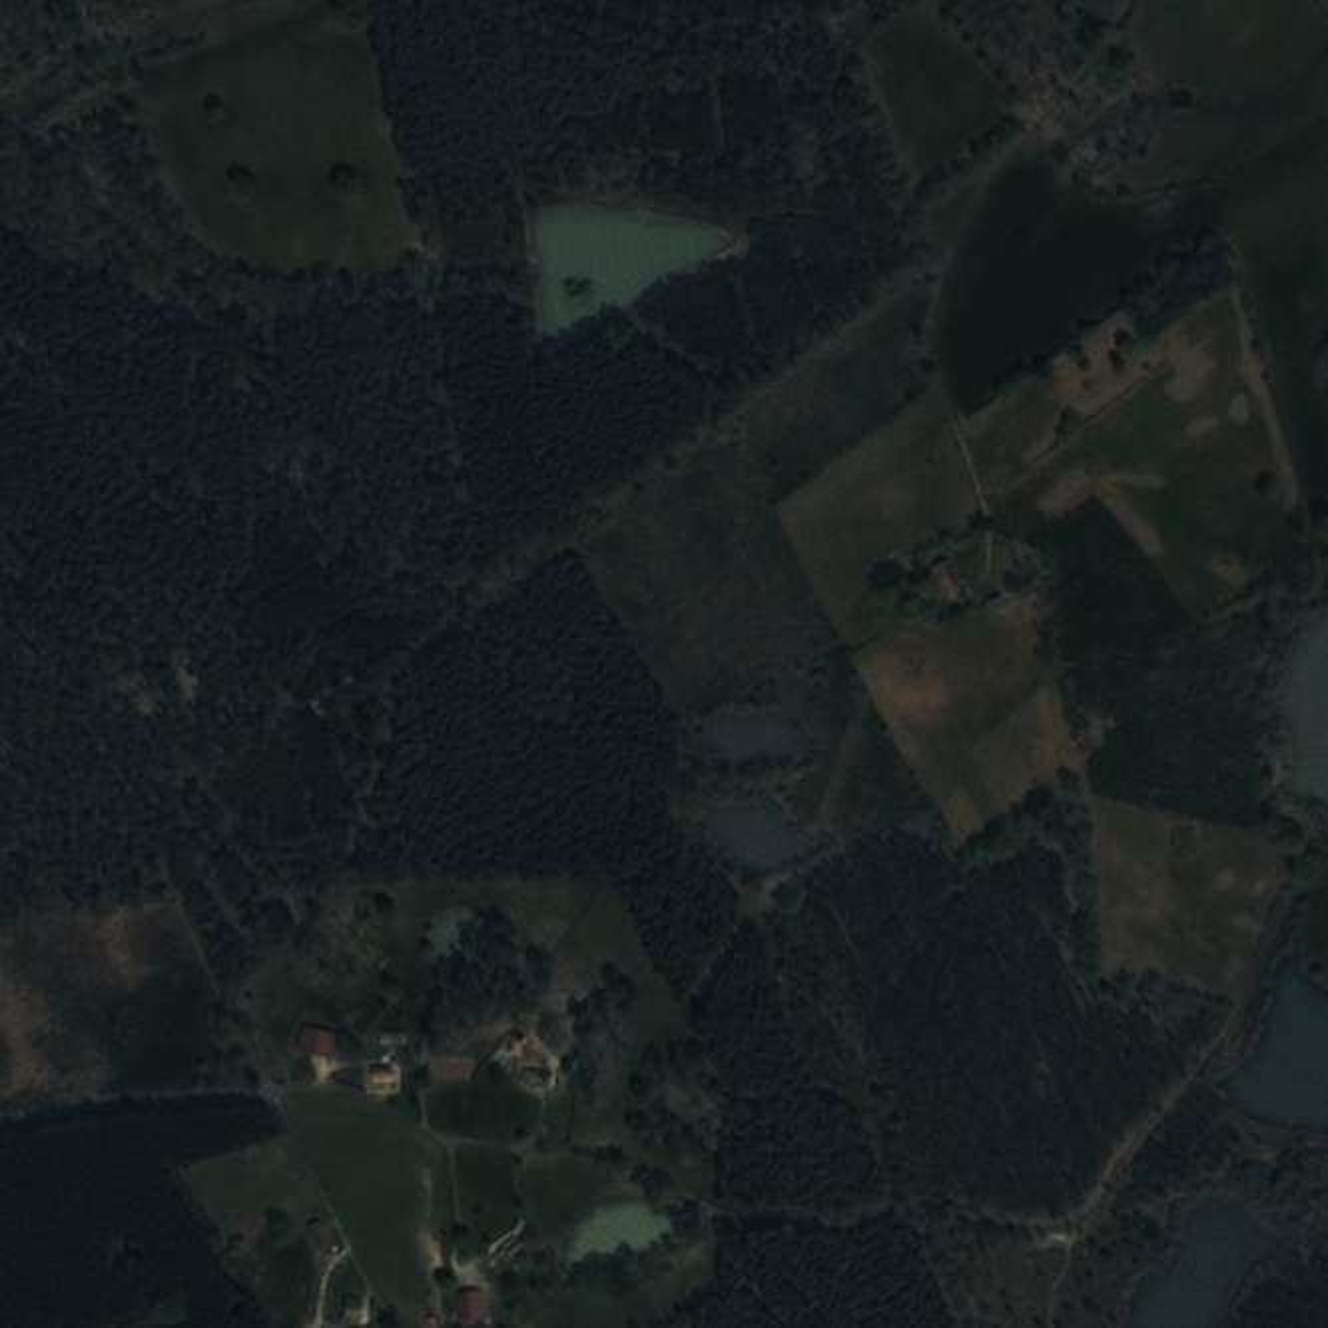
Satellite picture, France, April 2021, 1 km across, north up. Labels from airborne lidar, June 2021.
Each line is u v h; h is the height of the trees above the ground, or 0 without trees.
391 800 19
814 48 24
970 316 0
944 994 12
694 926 21
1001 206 0
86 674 23
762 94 15
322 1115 0
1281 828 22
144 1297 15
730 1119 14
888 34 0
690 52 22
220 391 24
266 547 14
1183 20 0
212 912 23
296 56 0
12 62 15
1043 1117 12
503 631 22
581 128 13
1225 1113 13
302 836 23
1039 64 18
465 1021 23
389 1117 0
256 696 21
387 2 26
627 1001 23
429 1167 0
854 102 24
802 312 8
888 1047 12
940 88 0
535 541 18
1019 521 0
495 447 21
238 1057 15
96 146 20
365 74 0
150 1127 15
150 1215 15
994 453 0
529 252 12
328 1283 0
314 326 23
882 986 12
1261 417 0
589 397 19
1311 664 0
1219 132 0
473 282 16
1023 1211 10
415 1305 0
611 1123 0
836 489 0
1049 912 11
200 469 23
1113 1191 13
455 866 21
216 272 16
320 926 19
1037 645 0
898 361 0
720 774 9
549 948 0
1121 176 0
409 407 23
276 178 0
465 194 25
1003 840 19
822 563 0
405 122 25
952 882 12
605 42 19
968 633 0
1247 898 0
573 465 20
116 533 22
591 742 22
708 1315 16
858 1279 17
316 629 10
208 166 0
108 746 16
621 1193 0
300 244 0
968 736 0
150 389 24
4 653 24
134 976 0
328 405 23
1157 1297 0
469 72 22
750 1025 18
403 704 16
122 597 12
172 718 18
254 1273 0
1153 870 0
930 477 0
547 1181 0
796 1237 16
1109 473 0
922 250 15
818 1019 6
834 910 12
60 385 19
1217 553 0
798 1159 17
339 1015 0
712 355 9
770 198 25
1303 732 0
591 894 0
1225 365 0
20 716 19
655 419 19
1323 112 0
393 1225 0
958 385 0
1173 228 0
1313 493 0
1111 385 0
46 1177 17
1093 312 0
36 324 20
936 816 17
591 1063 16
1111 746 0
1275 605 13
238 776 12
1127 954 0
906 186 17
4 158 8
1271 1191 11
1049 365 11
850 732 0
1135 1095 13
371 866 21
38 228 16
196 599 19
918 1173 9
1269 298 0
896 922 10
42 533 21
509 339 21
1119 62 17
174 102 0
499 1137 0
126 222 19
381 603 22
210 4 0
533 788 20
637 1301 0
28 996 0
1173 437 0
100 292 23
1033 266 0
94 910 16
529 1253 10
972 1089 11
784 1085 13
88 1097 0
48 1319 17
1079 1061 12
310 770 14
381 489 22
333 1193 0
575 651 25
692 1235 22
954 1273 14
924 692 0
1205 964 0
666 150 15
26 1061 0
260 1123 15
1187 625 0
